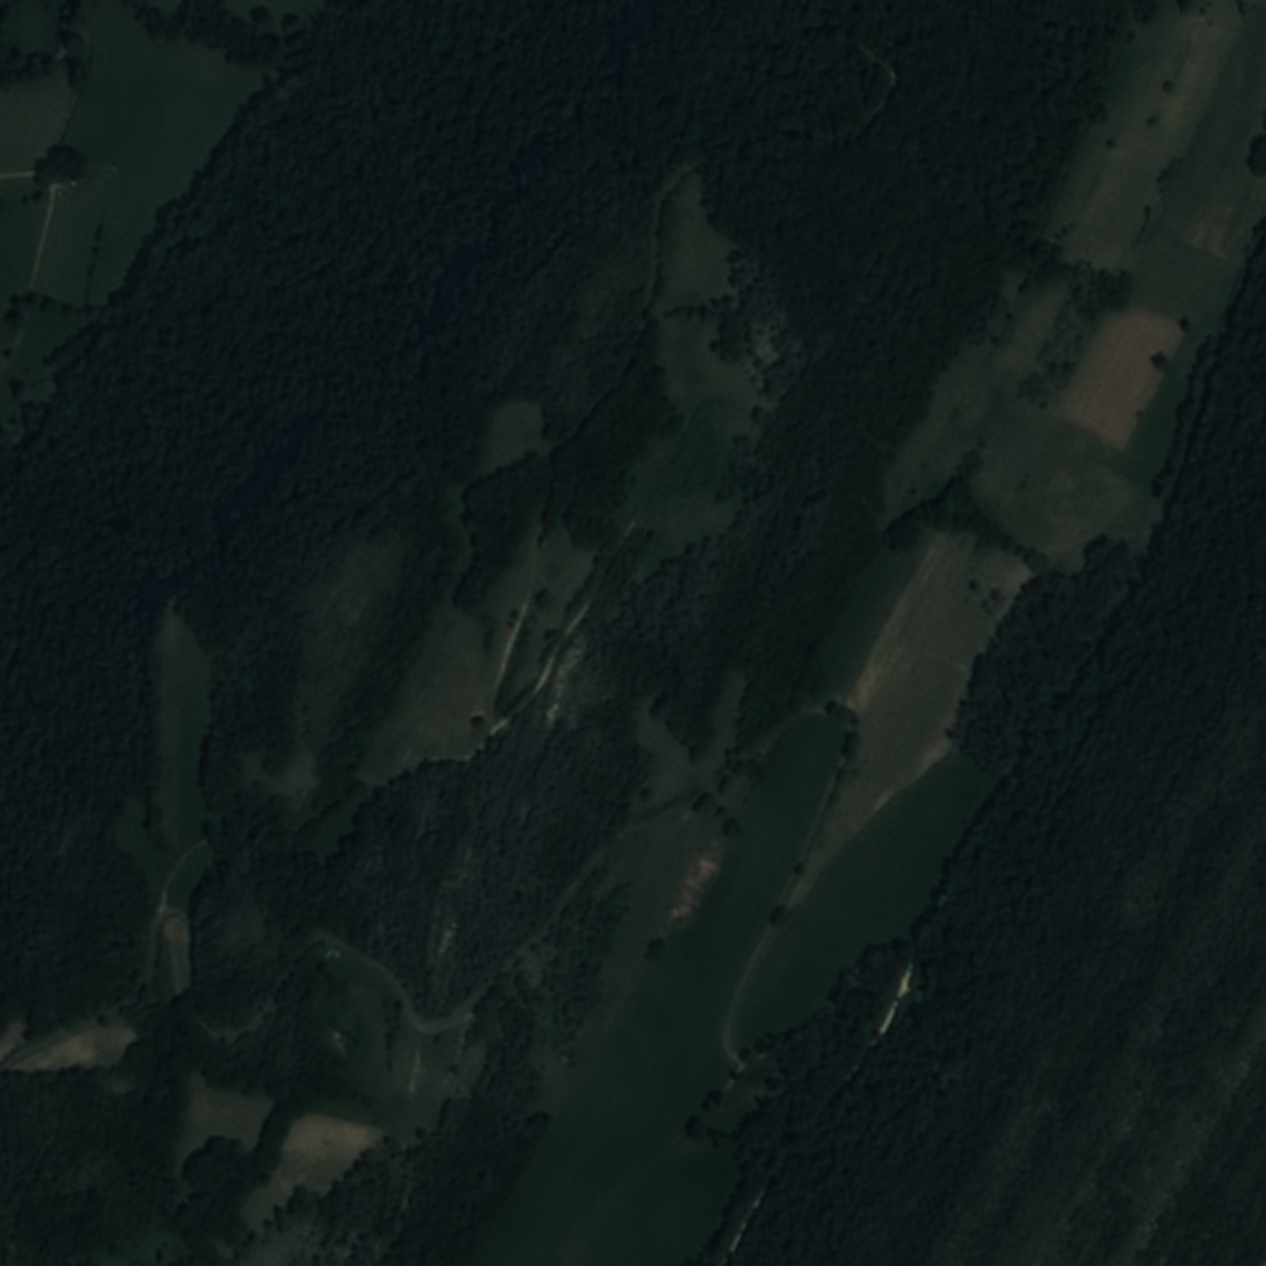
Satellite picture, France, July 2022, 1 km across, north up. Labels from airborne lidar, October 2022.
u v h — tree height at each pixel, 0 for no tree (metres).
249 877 12
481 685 0
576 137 22
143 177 0
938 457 0
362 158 18
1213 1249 8
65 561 11
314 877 18
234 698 8
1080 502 0
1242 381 12
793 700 14
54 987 12
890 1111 7
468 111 23
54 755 28
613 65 21
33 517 17
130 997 13
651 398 15
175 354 26
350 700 13
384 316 23
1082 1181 10
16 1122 11
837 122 17
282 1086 16
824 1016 9
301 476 18
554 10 25
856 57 18
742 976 0
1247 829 8
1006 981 9
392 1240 9
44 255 0
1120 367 0
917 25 18
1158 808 10
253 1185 11
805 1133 13
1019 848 14
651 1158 0
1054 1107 6
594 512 19
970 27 23
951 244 15
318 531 15
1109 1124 8
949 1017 13
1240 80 0
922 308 14
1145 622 17
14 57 19
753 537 9
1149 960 11
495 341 15
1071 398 0
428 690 0
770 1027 0
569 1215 0
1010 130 16
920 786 0
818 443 7
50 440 10
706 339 0
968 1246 8
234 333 23
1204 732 16
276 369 24
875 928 0
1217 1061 8
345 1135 0
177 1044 17
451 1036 0
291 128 22
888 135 11
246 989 10
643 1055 0
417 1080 0
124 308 20
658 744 0
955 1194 11
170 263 22
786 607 15
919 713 0
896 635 0
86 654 26
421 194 22
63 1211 11
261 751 10
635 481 6
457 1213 19
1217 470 11
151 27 9
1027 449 0
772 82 24
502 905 13
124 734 22
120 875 12
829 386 12
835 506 14
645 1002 0
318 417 21
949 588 0
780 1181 20
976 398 0
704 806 10
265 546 18
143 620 19
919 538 14
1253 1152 11
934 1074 7
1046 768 17
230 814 11
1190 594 7
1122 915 6
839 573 13
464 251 17
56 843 12
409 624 16
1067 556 0
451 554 21
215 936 6
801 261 12
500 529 14
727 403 0
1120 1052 12
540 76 26
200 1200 17
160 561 24
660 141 22
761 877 0
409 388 24
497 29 19
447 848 9
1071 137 18
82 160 20
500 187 23
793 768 0
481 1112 13
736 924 0
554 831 12
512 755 7
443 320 13
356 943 9
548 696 6
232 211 17
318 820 6
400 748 0
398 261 21
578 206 13
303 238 21
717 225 13
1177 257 0
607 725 8
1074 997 7
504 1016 11
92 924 15
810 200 16
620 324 9
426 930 10
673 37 17
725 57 16
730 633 14
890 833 0
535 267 11
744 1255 6
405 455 22
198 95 0
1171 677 8
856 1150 11
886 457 15
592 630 8
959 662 0
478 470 15
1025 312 0
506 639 0
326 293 21
